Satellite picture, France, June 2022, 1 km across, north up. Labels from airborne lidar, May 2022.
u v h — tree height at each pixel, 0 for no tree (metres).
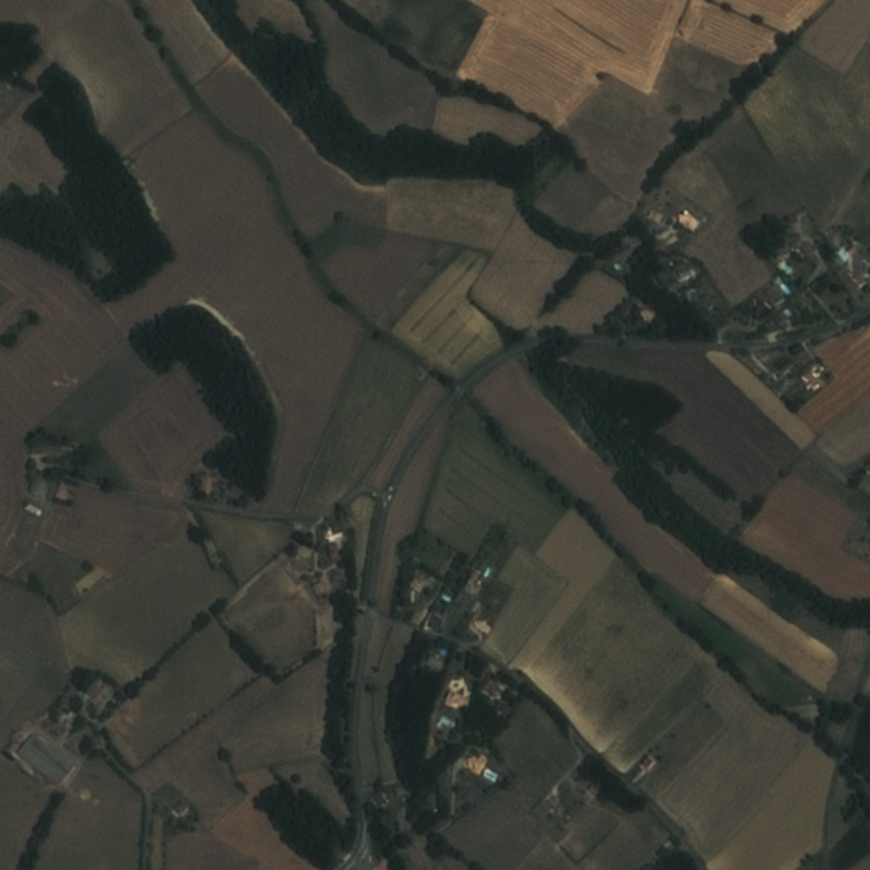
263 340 0
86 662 0
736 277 0
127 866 0
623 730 0
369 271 0
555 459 0
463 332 0
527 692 11
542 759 0
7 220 18
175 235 0
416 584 0
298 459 0
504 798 0
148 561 0
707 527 9
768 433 0
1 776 0
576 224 0
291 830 13
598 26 0
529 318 0
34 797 0
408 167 18
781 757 0
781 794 0
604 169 0
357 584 14
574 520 0
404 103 0
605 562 0
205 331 14
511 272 0
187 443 0
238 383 14
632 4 0
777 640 0
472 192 0
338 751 17
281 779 10
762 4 0
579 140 0
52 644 0
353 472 0
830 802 0
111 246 16
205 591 0
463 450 0
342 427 0
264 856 0
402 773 14
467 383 0
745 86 15
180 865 0
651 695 0
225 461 15
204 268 0
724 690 0
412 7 0
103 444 0
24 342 0
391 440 0
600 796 9
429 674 15
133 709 0
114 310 0
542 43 0
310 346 0
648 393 14
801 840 0
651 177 13
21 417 0
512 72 0
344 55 0
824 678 0
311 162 0
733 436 0
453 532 0
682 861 14
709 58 0
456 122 0
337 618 12
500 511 0
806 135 0
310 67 13
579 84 0
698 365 0
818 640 0
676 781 0
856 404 0
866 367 0
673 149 12
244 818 0
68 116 10
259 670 15
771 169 0
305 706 0
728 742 0
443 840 10
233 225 0
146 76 0
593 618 0
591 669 0
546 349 12
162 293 0
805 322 6
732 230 0
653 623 0
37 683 0
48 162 0
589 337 0
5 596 0
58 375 0
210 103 0
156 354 16
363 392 0
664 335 7
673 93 0
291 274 0
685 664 0
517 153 13
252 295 0
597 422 16
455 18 0
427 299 0
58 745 0
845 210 0
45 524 0
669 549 0
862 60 0
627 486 9
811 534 0
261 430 15
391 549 0
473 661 14
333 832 11
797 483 0
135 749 0
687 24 0
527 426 0
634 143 0
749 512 10
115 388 0
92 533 0
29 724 0
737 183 0
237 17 7
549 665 0
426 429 0
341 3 10
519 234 0
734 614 0
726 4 10
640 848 0
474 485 0
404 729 12
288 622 0
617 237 11
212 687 0
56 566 0
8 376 0
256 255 0
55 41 0
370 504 0
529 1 0
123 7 0
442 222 0
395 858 12
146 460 0
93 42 0
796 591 14
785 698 0
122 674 0
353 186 0
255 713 0
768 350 6
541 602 0
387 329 0
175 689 0
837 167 0
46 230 12
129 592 0
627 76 0
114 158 16
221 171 0
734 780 0
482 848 0
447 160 10
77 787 0
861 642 0
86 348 0
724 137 0
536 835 0
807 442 0
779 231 10
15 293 0
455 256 0
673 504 12
